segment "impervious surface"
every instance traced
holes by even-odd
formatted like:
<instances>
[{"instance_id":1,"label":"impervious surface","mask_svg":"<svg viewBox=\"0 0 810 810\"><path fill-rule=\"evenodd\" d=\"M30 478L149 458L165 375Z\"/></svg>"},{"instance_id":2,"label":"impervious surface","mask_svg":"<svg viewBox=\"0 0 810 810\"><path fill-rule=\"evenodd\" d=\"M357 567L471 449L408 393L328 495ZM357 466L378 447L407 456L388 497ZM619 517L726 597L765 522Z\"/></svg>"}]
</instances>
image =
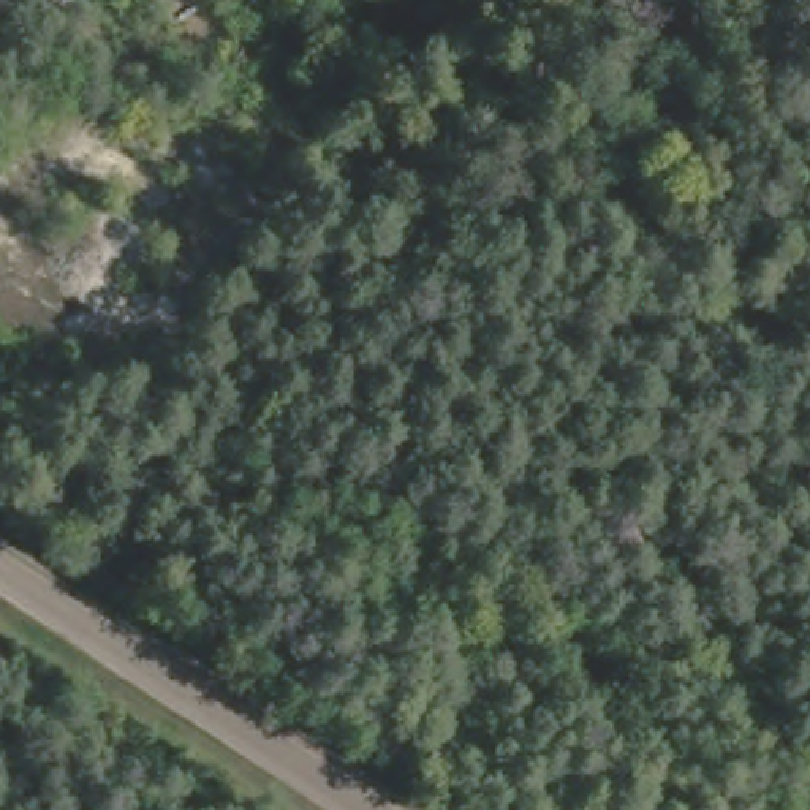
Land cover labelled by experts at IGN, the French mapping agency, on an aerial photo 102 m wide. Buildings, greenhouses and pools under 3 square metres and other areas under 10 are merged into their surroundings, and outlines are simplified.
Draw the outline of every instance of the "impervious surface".
<instances>
[{"instance_id":1,"label":"impervious surface","mask_svg":"<svg viewBox=\"0 0 810 810\"><path fill-rule=\"evenodd\" d=\"M16 547L0 551L0 598L25 617L32 617L35 623L41 623L44 630L63 636L70 645L104 664L111 674L130 680L171 712L190 718L196 728L209 731L234 753L282 778L323 810L411 810L402 804L380 804L377 791L370 788L332 788L323 772L326 759L323 750L310 747L304 737L263 737L253 721L209 699L190 683L171 680L158 661L139 658L136 649L123 639L123 633L111 630L108 617L82 604L79 598L60 592L51 573L41 563L35 563L35 557Z\"/></svg>"}]
</instances>

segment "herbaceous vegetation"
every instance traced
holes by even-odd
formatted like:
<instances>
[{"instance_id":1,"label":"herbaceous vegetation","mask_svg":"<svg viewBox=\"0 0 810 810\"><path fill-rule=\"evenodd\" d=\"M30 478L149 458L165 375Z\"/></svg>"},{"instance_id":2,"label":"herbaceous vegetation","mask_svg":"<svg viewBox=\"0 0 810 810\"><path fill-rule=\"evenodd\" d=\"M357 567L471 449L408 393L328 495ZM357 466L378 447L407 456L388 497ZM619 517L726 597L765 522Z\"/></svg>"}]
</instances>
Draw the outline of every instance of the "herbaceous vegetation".
<instances>
[{"instance_id":1,"label":"herbaceous vegetation","mask_svg":"<svg viewBox=\"0 0 810 810\"><path fill-rule=\"evenodd\" d=\"M253 797L256 810L323 810L282 778L234 753L209 731L196 728L190 718L171 712L130 680L111 674L104 664L70 645L63 636L44 630L41 623L35 623L32 617L25 617L0 598L0 636L13 639L22 649L32 649L44 664L60 668L70 677L66 690L82 706L114 712L117 740L123 740L123 721L136 718L149 728L149 737L168 740L180 747L190 759L212 766L237 797Z\"/></svg>"},{"instance_id":2,"label":"herbaceous vegetation","mask_svg":"<svg viewBox=\"0 0 810 810\"><path fill-rule=\"evenodd\" d=\"M9 234L6 221L0 218L0 316L3 316L3 320L6 320L6 323L9 323L13 329L16 329L16 326L35 326L35 329L41 329L47 332L54 326L54 313L63 310L70 297L82 301L92 288L104 285L111 259L120 253L117 244L108 237L108 215L95 215L92 237L82 234L66 253L51 253L44 259L25 250L22 240Z\"/></svg>"},{"instance_id":3,"label":"herbaceous vegetation","mask_svg":"<svg viewBox=\"0 0 810 810\"><path fill-rule=\"evenodd\" d=\"M76 127L63 139L63 161L73 171L92 177L133 177L139 171L127 155L108 149L98 136L85 127Z\"/></svg>"}]
</instances>

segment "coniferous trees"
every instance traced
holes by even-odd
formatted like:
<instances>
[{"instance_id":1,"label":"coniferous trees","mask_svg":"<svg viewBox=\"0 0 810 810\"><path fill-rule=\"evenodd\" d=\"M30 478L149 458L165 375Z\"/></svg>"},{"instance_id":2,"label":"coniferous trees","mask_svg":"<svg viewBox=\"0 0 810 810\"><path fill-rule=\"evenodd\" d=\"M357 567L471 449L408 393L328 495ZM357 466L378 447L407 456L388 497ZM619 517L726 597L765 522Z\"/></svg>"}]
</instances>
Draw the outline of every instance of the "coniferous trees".
<instances>
[{"instance_id":1,"label":"coniferous trees","mask_svg":"<svg viewBox=\"0 0 810 810\"><path fill-rule=\"evenodd\" d=\"M237 797L212 766L190 759L180 747L168 740L149 737L149 728L136 718L123 721L123 740L117 740L114 712L82 706L66 690L70 677L60 668L44 664L32 649L22 649L13 639L0 636L0 810L256 810L253 797Z\"/></svg>"},{"instance_id":2,"label":"coniferous trees","mask_svg":"<svg viewBox=\"0 0 810 810\"><path fill-rule=\"evenodd\" d=\"M579 190L566 196L547 171L532 171L525 177L522 161L528 155L544 152L541 133L554 120L557 85L566 82L576 89L585 79L585 70L608 54L608 41L617 38L611 0L0 0L0 218L6 221L9 234L22 240L25 250L44 259L51 253L66 253L82 234L92 237L95 215L108 215L108 237L117 244L120 253L111 259L104 285L92 288L82 301L70 297L63 310L54 313L54 326L47 332L41 329L41 332L38 332L35 339L28 339L28 342L16 342L16 345L0 345L0 551L16 547L35 557L35 563L41 563L51 573L60 592L79 598L82 604L108 617L111 630L123 633L123 639L136 649L139 658L158 661L171 680L190 683L209 699L212 683L203 671L209 664L221 664L234 652L234 639L256 633L263 642L272 642L272 652L282 658L288 671L301 677L304 687L323 687L326 696L335 696L335 706L345 706L345 718L351 725L361 725L370 715L377 715L380 740L367 759L326 759L323 772L332 788L370 788L377 791L380 804L402 804L411 810L421 810L433 788L449 788L449 772L468 775L465 753L471 747L484 753L487 772L503 772L509 782L525 778L535 810L791 810L794 772L810 766L810 0L649 0L668 13L668 22L652 41L636 47L630 85L633 92L645 92L655 98L655 117L649 123L617 123L604 120L601 111L592 111L589 123L598 136L598 146L585 149L585 158L573 165L579 174ZM57 32L70 32L76 41L89 41L95 51L95 66L111 70L114 82L120 82L139 98L120 127L111 127L98 136L108 149L127 155L139 171L133 177L92 177L73 171L63 161L63 139L76 127L85 127L82 120L32 114L28 95L35 85L32 79L47 76L41 60L51 54ZM785 377L775 389L775 399L766 405L753 396L753 364L769 348L778 351ZM554 585L554 601L563 614L582 601L585 611L601 617L601 623L620 620L626 633L636 630L639 617L649 617L652 645L661 645L661 658L674 661L677 715L699 718L699 696L709 696L712 690L718 690L725 674L734 674L740 687L721 706L721 718L734 721L731 734L737 744L737 763L731 775L721 785L712 785L702 775L702 769L693 766L680 772L674 785L668 785L664 775L671 766L671 747L664 740L664 731L658 728L649 731L649 740L642 740L633 772L620 766L617 756L623 753L623 737L604 715L608 702L601 699L601 693L582 702L566 702L563 677L551 664L551 649L541 642L503 636L497 645L459 645L459 630L449 608L443 608L440 617L418 620L405 649L392 642L399 620L396 614L383 620L380 633L364 633L364 608L358 592L361 563L348 560L348 541L332 532L316 541L313 535L291 528L285 522L285 513L291 509L297 490L329 490L342 478L354 484L354 490L364 497L377 494L392 497L396 503L408 503L414 509L414 519L421 522L421 535L430 544L440 544L446 557L456 557L462 547L478 544L478 551L487 560L494 560L494 554L509 544L516 551L509 576L525 579L525 573L538 566ZM73 519L89 519L89 528L98 538L98 563L82 576L73 576L66 570L70 551L60 551L51 541L51 532ZM142 595L158 582L161 570L168 570L174 589L193 579L196 595L206 604L206 620L199 626L155 626L161 611L146 608Z\"/></svg>"}]
</instances>

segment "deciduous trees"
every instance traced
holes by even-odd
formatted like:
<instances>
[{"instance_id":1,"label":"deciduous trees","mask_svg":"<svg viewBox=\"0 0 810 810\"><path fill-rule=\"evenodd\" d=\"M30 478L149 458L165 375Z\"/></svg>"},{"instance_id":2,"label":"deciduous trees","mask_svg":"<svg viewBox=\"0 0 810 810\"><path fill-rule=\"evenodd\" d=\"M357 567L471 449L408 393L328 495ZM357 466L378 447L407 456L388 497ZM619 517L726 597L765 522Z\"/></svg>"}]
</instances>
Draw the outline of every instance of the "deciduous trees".
<instances>
[{"instance_id":1,"label":"deciduous trees","mask_svg":"<svg viewBox=\"0 0 810 810\"><path fill-rule=\"evenodd\" d=\"M810 766L794 772L791 810L810 810Z\"/></svg>"},{"instance_id":2,"label":"deciduous trees","mask_svg":"<svg viewBox=\"0 0 810 810\"><path fill-rule=\"evenodd\" d=\"M785 377L778 351L769 348L753 364L753 396L766 405L775 399L775 389Z\"/></svg>"},{"instance_id":3,"label":"deciduous trees","mask_svg":"<svg viewBox=\"0 0 810 810\"><path fill-rule=\"evenodd\" d=\"M740 687L734 674L725 674L718 690L712 690L709 696L699 696L699 718L677 715L674 661L661 658L661 645L652 645L649 617L639 617L636 630L626 633L620 620L601 623L601 617L585 611L582 601L563 614L554 601L554 585L538 566L525 573L525 579L509 576L516 551L509 544L494 554L494 560L487 560L478 551L478 544L462 547L456 557L446 557L440 544L430 544L421 535L421 522L414 519L414 509L408 503L396 503L392 497L377 494L364 497L354 490L354 484L342 478L329 490L297 490L291 509L285 513L285 522L291 528L313 535L316 541L332 532L348 541L348 560L361 563L358 592L364 608L364 633L380 633L383 620L396 614L399 620L392 642L405 649L418 620L440 617L443 608L449 608L459 630L459 645L497 645L503 636L541 642L551 649L551 664L563 677L566 702L582 702L601 693L601 699L608 702L604 715L623 737L623 753L617 756L620 766L633 772L642 740L649 740L649 731L658 728L664 731L664 740L671 747L671 766L664 775L668 785L674 785L680 772L693 766L702 769L702 775L712 785L721 785L731 775L737 763L737 744L731 734L734 721L721 718L721 706Z\"/></svg>"},{"instance_id":4,"label":"deciduous trees","mask_svg":"<svg viewBox=\"0 0 810 810\"><path fill-rule=\"evenodd\" d=\"M509 782L503 772L487 772L484 753L471 747L465 753L468 775L449 772L449 788L433 788L421 810L535 810L525 778Z\"/></svg>"},{"instance_id":5,"label":"deciduous trees","mask_svg":"<svg viewBox=\"0 0 810 810\"><path fill-rule=\"evenodd\" d=\"M38 332L41 332L41 329L35 329L35 326L16 326L16 329L13 329L9 323L6 323L6 320L3 320L3 316L0 316L0 345L16 345L16 342L28 342L28 339L35 339Z\"/></svg>"},{"instance_id":6,"label":"deciduous trees","mask_svg":"<svg viewBox=\"0 0 810 810\"><path fill-rule=\"evenodd\" d=\"M114 82L111 70L95 66L95 51L89 41L76 41L70 32L57 32L51 54L41 60L47 76L32 79L35 85L28 95L32 114L82 120L85 127L98 136L111 127L120 127L139 98L120 82Z\"/></svg>"},{"instance_id":7,"label":"deciduous trees","mask_svg":"<svg viewBox=\"0 0 810 810\"><path fill-rule=\"evenodd\" d=\"M566 196L579 190L579 174L573 165L585 158L585 149L598 146L598 136L589 123L592 111L601 111L604 120L617 123L649 123L655 117L655 98L645 92L633 92L630 85L636 47L652 41L668 22L668 13L649 0L611 0L617 38L608 41L608 54L585 70L585 79L576 89L566 82L557 85L554 120L541 133L544 152L528 155L522 161L525 177L532 171L547 171Z\"/></svg>"},{"instance_id":8,"label":"deciduous trees","mask_svg":"<svg viewBox=\"0 0 810 810\"><path fill-rule=\"evenodd\" d=\"M66 570L73 576L82 576L98 563L98 538L89 528L89 519L73 519L51 532L51 541L60 551L70 551Z\"/></svg>"},{"instance_id":9,"label":"deciduous trees","mask_svg":"<svg viewBox=\"0 0 810 810\"><path fill-rule=\"evenodd\" d=\"M142 595L146 608L161 611L155 626L199 626L206 620L206 604L196 595L193 579L174 589L168 570L161 570L158 582Z\"/></svg>"},{"instance_id":10,"label":"deciduous trees","mask_svg":"<svg viewBox=\"0 0 810 810\"><path fill-rule=\"evenodd\" d=\"M377 715L370 715L361 725L351 725L345 718L345 706L335 706L335 696L326 696L323 687L304 687L301 677L288 671L282 658L272 652L272 642L263 642L256 633L234 639L234 652L221 664L209 664L203 671L212 683L209 699L253 721L263 737L304 737L310 747L323 750L326 759L367 759L380 740Z\"/></svg>"}]
</instances>

